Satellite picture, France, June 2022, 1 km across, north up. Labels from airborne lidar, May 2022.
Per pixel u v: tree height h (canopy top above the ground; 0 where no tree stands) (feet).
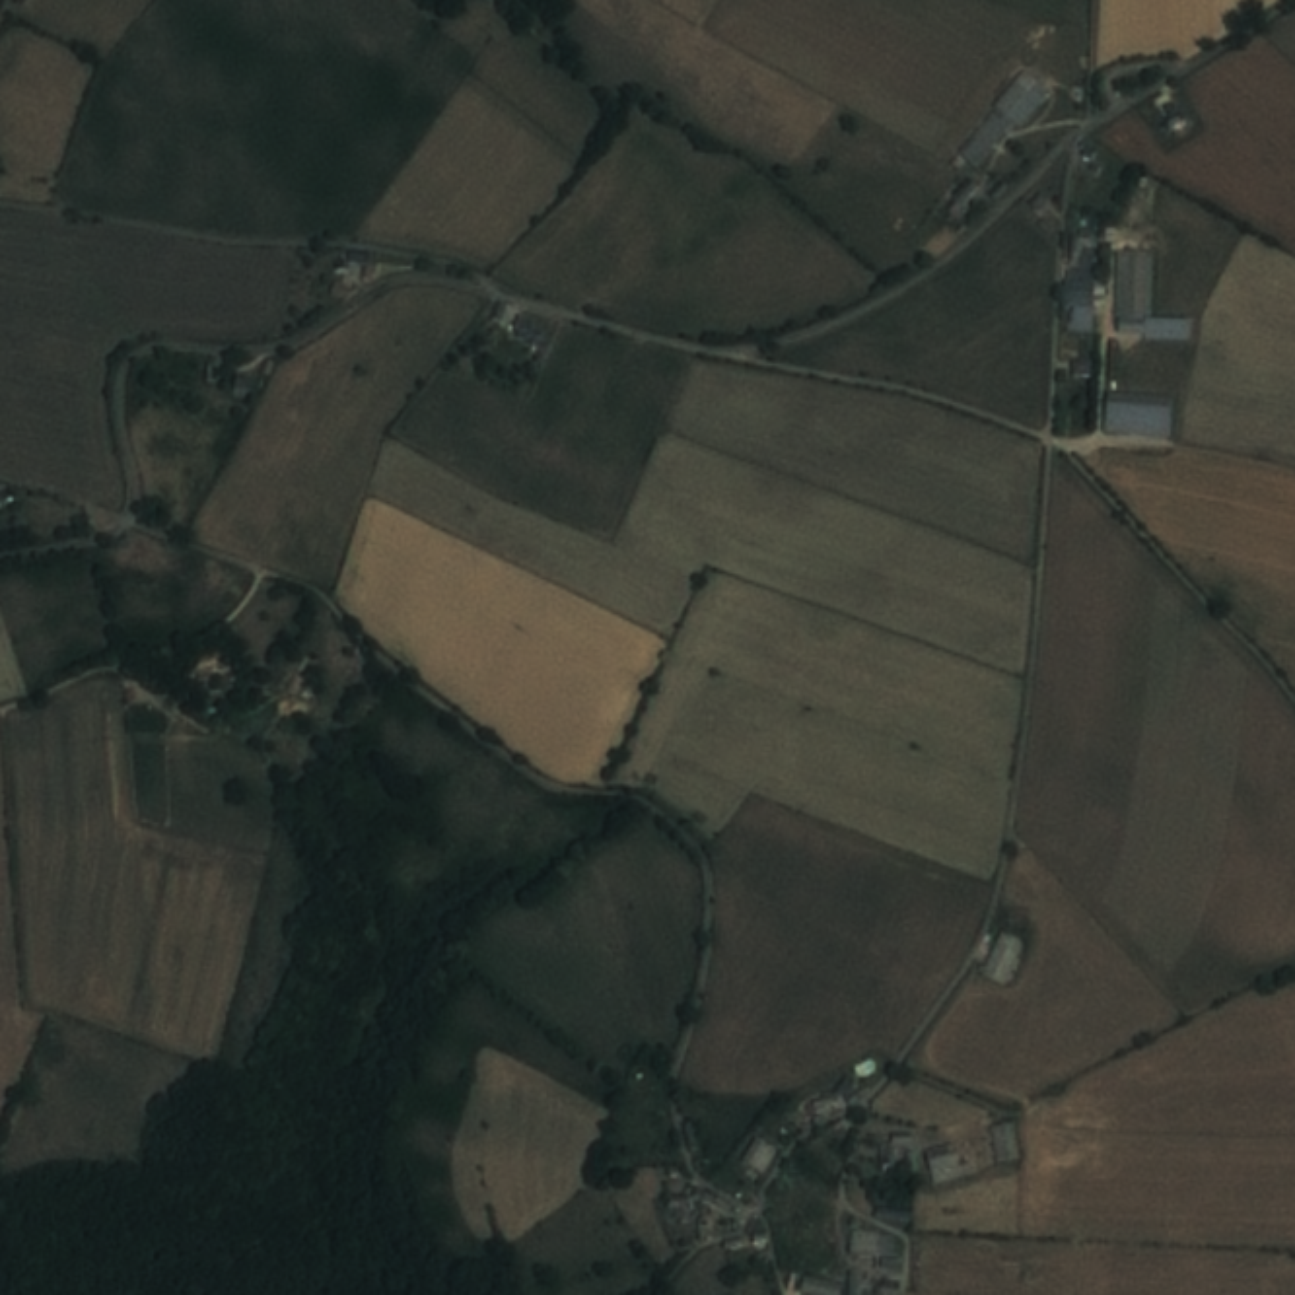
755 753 0
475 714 0
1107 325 0
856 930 0
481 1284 76
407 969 20
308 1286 51
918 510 0
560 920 0
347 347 0
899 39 0
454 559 0
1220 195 0
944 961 0
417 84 0
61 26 0
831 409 0
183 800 0
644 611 0
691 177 0
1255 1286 0
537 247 0
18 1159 0
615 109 54
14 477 0
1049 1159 0
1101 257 31
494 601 0
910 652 0
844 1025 0
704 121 0
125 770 0
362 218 0
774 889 0
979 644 0
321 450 0
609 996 0
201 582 0
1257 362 0
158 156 0
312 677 45
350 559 0
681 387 0
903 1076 43
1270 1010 0
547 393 0
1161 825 0
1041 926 0
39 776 0
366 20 0
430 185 0
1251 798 0
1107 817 0
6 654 0
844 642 0
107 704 0
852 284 0
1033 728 0
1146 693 0
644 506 0
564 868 43
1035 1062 0
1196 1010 0
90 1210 36
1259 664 0
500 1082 0
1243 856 0
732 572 0
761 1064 0
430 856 0
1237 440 0
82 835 0
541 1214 0
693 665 0
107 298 0
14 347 0
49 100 0
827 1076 0
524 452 0
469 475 0
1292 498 0
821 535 0
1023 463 0
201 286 0
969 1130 0
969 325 0
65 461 0
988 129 0
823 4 0
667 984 0
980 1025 0
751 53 0
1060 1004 0
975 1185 0
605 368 0
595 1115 0
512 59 0
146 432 0
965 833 0
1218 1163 0
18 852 0
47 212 0
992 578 0
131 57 0
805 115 0
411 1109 0
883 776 0
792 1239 0
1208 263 0
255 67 0
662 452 0
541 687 0
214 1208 54
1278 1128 0
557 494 0
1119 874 0
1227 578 0
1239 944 0
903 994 0
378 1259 43
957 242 0
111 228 0
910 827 0
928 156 0
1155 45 0
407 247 0
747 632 0
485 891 29
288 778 53
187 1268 41
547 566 0
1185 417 0
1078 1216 0
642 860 0
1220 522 0
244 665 43
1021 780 0
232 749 0
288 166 0
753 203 0
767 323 0
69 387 0
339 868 75
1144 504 0
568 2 28
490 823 0
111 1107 0
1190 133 0
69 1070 0
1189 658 0
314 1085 56
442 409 0
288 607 0
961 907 0
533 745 0
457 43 0
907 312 0
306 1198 52
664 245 0
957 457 0
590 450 0
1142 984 0
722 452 0
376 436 0
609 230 0
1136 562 0
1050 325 0
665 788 0
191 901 0
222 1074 59
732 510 0
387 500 0
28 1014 0
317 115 0
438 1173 0
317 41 0
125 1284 34
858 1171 23
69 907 0
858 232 0
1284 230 0
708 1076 0
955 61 0
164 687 50
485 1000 0
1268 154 0
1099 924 0
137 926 0
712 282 0
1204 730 0
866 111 0
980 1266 0
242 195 0
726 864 0
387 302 0
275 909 0
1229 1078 0
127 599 0
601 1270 42
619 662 0
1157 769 0
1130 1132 0
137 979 0
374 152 0
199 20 0
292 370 0
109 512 0
